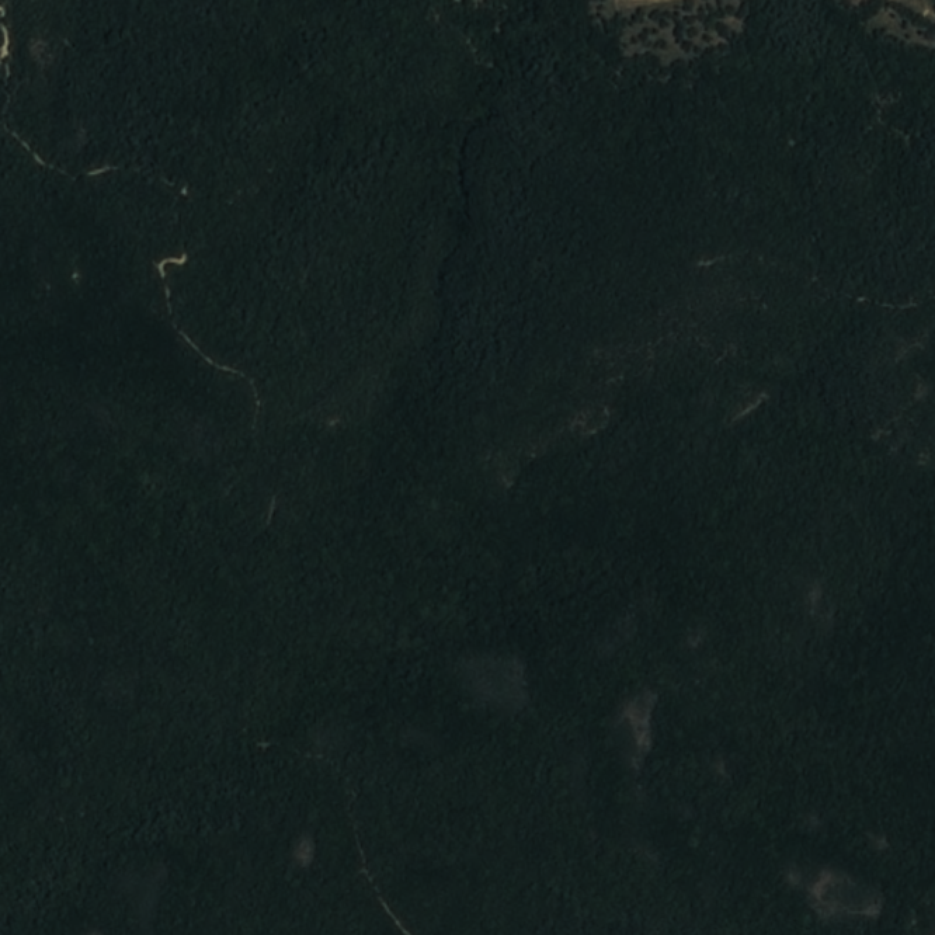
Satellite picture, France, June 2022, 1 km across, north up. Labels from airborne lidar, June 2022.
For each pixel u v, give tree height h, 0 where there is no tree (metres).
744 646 9
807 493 13
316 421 6
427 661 13
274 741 7
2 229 7
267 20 9
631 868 10
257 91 8
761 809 12
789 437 9
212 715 8
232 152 11
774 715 10
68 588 6
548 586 12
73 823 9
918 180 12
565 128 10
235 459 10
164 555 12
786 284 7
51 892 14
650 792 7
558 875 7
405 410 9
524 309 10
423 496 11
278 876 5
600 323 7
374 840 9
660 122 14
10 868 12
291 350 11
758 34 13
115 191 7
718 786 9
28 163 9
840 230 11
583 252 10
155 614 11
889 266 9
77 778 12
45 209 8
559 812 10
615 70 8
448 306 14
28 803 6
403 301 9
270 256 11
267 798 11
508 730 7
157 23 8
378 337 10
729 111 10
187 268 6
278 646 10
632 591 8
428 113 9
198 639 8
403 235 13
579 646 7
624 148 10
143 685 6
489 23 9
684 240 7
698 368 8
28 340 6
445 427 9
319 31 7
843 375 8
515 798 8
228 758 7
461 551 11
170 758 11
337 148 11
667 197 10
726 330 6
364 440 8
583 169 9
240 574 11
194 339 8
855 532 8
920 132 12
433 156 12
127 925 7
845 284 12
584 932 11
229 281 10
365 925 7
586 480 5
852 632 11
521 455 7
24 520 8
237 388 7
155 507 11
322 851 8
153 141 18
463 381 11
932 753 9
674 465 6
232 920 6
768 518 8
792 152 10
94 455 8
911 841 8
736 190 14
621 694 9
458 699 6
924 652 9
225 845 7
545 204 8
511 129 7
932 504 9
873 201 9
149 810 8
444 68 10
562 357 8
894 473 7
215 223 10
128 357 10
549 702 7
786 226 7
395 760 10
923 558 10
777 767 12
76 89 10
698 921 12
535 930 7
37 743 8
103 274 7
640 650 8
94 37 9
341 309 9
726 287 6
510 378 7
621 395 7
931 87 10
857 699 9
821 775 7
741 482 11
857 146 14
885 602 10
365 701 10
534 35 12
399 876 7
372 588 10
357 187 17
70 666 6
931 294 6
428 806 11
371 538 10
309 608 8
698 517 11
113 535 10
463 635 14
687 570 8
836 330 7
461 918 6
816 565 7
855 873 6
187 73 10
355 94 8
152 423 9
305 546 12
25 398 7
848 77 8
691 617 9
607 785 7
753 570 7
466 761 11
